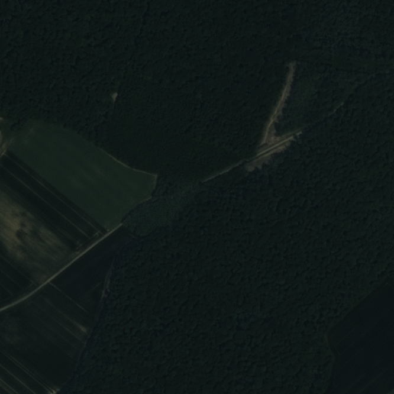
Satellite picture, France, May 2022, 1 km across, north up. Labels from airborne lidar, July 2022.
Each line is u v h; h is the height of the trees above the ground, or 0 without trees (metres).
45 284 0
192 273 30
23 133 0
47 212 0
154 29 32
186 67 31
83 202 0
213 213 30
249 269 31
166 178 19
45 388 0
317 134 28
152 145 12
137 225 26
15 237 0
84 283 0
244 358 27
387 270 23
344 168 27
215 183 10
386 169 24
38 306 0
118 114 13
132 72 26
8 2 27
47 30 29
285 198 25
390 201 24
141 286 33
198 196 30
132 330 26
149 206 21
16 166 0
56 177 0
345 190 25
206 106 26
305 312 31
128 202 0
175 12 31
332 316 19
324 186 31
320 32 26
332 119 22
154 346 31
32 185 0
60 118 25
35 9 28
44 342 0
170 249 31
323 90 33
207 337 27
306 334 31
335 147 28
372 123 27
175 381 29
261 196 30
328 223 28
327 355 21
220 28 32
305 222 26
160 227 27
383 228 29
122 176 0
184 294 31
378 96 23
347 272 31
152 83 14
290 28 30
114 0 28
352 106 32
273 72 30
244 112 28
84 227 0
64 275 0
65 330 0
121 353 32
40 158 0
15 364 0
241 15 31
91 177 0
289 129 23
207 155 12
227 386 15
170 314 32
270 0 31
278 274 28
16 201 0
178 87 26
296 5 28
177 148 13
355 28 23
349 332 0
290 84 0
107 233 0
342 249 26
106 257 0
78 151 0
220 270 29
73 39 30
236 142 27
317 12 23
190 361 25
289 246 25
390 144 29
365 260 23
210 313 30
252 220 29
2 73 29
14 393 0
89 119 23
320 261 29
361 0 28
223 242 28
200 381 30
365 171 26
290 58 28
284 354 23
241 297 32
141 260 31
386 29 22
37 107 29
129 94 14
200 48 33
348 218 30
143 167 11
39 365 0
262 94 34
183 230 34
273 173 20
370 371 0
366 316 0
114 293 27
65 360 0
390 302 0
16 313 0
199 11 35
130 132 13
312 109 30
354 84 31
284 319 32
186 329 30
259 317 25
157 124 13
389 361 0
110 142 13
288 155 26
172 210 23
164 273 32
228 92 30
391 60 28
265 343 27
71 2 33
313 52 9
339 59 10
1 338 0
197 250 28
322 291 30
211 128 28
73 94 27
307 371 35
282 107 0
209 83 33
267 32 31
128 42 30
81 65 31
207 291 27
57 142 0
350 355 0
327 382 20
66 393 27
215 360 28
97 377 27
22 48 33
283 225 26
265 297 30
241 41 34
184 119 14
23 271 0
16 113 26
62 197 0
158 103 13
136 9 28
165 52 28
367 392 0
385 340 0
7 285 0
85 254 0
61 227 0
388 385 0
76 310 0
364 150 29
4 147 0
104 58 30
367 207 30
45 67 32
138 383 31
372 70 13
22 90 27
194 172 13
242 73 30
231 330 28
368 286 26
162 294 30
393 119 29
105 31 34
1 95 30
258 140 18
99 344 33
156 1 30
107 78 27
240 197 28
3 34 29
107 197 0
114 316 29
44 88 29
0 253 0
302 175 28
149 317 33
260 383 29
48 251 0
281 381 20
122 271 29
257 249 31
